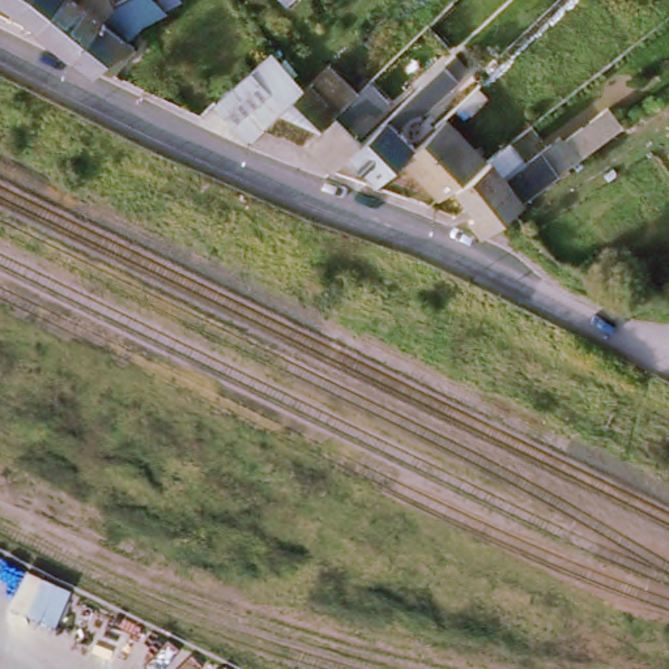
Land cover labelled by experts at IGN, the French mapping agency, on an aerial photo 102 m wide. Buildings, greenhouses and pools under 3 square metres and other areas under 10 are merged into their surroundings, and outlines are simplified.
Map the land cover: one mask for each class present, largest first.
<instances>
[{"label":"herbaceous vegetation","instance_id":"1","mask_svg":"<svg viewBox=\"0 0 669 669\"><path fill-rule=\"evenodd\" d=\"M149 44H159V52L172 55L175 60L180 76L175 102L188 107L191 112H199L220 102L269 55L264 52V39L256 34L251 10L235 5L233 0H180V5L170 8V13L144 26ZM397 0H337L342 26L332 29L327 44L311 29H306L303 21L293 24L282 42L298 57H306L316 73L332 68L345 78L350 71L358 68L368 81V76L376 68L366 52H358L353 44L363 39L366 21L371 18L374 8H389ZM502 0H457L442 21L413 31L389 57L379 63V68L382 73H389L392 68L405 71L408 81H416L418 73L434 57L444 55L447 47L463 42L465 34ZM463 55L468 68L473 63L486 60V73L494 78V84L481 91L486 99L476 112L455 115L449 125L476 152H481L483 159L504 149L512 141V136L523 131L525 123L541 128L557 120L564 105L591 99L596 105L604 86L612 84L614 76L627 73L632 91L640 102L659 99V105L664 107L659 112L635 107V123L630 125L625 144L588 172V188L580 196H544V201L549 204V214H541L533 225H507V238L497 243L520 256L536 272L554 274L562 287L583 298L588 267L598 259L601 251L612 248L630 251L643 264L645 280L661 295L669 290V0H517L494 26H489L473 44L465 47ZM0 157L24 162L31 170L44 172L47 180L65 196L107 206L115 214L146 227L149 233L167 238L180 248L196 251L204 261H220L225 269L248 277L253 285L272 295L314 308L319 319L335 327L337 332L348 329L353 335H371L379 342L395 345L400 353H408L418 363L434 366L442 382H460L463 387H470L491 400L507 402L523 416H536L541 410V418L546 421L554 436L575 439L669 486V384L661 379H651L648 387H638L617 376L614 371H606L604 379H596L591 374L572 368L559 358V337L564 332L562 327L452 272L436 269L408 253L361 240L340 230L319 227L303 217L267 206L256 201L251 193L235 191L186 165L154 154L60 105H52L39 94L26 97L13 81L0 76ZM329 256L363 259L379 269L368 285L361 287L355 282L353 287H348L342 303L335 308L327 303V295L321 293L319 274V261H327ZM434 285L455 287L457 295L439 311L426 308V321L413 319L408 306L418 301L421 290H434ZM0 408L10 410L18 418L42 421L47 431L65 434L73 426H84L86 436L78 439V447L71 455L78 470H97L99 463L110 460L112 449L102 442L99 434L102 429H118V410H139L141 416L157 410L159 418L170 421L180 434V439L172 442L175 457L199 465V470L217 491L222 489L227 491V497L243 499L246 510L230 512V528L253 530V525H264L277 538L308 549L306 564H301L293 575L251 580L243 591L251 601L269 609L290 606L295 612L324 614V606L308 601V593L316 588L319 575L337 585H345V580L355 585L382 583L413 604L423 591H429L442 609L465 612L478 619L497 617L512 632L523 630L528 635L525 651H533L538 656L533 669H669V625H664L661 619H638L627 612H619L617 604L606 606V598L601 596H593L507 551L481 544L418 512L416 507L389 499L368 481L342 473L348 463L332 465L324 457L319 442H306L303 429L295 423H290V429L282 426L280 431L259 429L235 413L214 408L193 389L180 387L175 379H162L139 368L131 358L118 355L105 345L91 348L76 340L63 342L47 329L18 321L8 306L0 303ZM29 442L8 429H0V473H3V468L10 460H18L24 455V447ZM0 562L18 572L26 564H34V575L65 591L81 585L91 596H99L115 604L118 609H128V614L144 622L162 625L172 635H180L183 640H191L201 648L220 653L225 664L214 669H293L287 666V659L274 656L280 645L217 627H180V622L175 619L157 617L154 606H149L144 598H136L110 583L86 578L44 557L39 549L24 546L18 538H10L0 528Z\"/></svg>","mask_w":669,"mask_h":669},{"label":"pervious surface","instance_id":"2","mask_svg":"<svg viewBox=\"0 0 669 669\"><path fill-rule=\"evenodd\" d=\"M0 303L8 306L18 321L47 329L63 342L76 340L91 348L105 345L118 355L131 358L139 368L162 379H175L180 387L193 389L214 408L235 413L259 429L280 431L282 426L290 429V423H295L303 429L306 442H319L324 457L332 465L348 463L342 473L368 481L389 499L416 507L418 512L481 544L507 551L593 596H601L606 598V606L617 604L619 612H627L638 619H661L664 625H669V486L575 439L554 436L546 421L541 418V410L536 416H523L507 402L491 400L470 387H463L460 382H442L434 366L418 363L408 353H400L395 345L379 342L371 335H353L348 329L337 332L335 327L319 319L314 308L272 295L253 285L248 277L225 269L220 261H204L196 251L180 248L167 238L149 233L146 227L115 214L107 206L65 196L47 180L44 172L31 170L24 162L0 157ZM0 528L10 538H18L24 546L39 549L44 557L86 578L110 583L136 598H144L149 606H154L157 617L175 619L180 622V627H217L280 645L274 656L287 659V666L293 669H520L510 664H497L486 653L460 656L455 651L431 648L418 635L408 632L402 625L395 622L384 627H368L366 619L337 622L324 614L295 612L290 606L269 609L251 601L243 591L227 585L188 583L178 575L175 564L167 562L162 554H152L131 541L110 544L105 538L107 530L99 507L78 502L65 491H57L47 481H39V489H16L8 478H3V473H0Z\"/></svg>","mask_w":669,"mask_h":669},{"label":"building","instance_id":"3","mask_svg":"<svg viewBox=\"0 0 669 669\"><path fill-rule=\"evenodd\" d=\"M180 5V0H0V29L24 39L39 52H52L65 65L78 71L86 81L112 84L115 76L128 81L131 71L136 68V60L149 50V44L144 26L170 13V8ZM465 47L463 42L447 47L444 55L434 57L418 73L416 81H408L405 71L392 68L389 73H382L379 68H376L368 76V81L358 68L350 71L345 78L332 68L316 73L306 57H298L282 42L280 50L269 55L220 102L199 112L193 125H201L233 144H240L251 152H259L264 157L301 167L314 175H335L358 191H371L389 204L426 214L447 225V230L468 235L470 240L481 238L497 243L507 238V225H533L541 214H549V204L544 201V196H580L588 188V172L625 144L630 125L619 123L612 110L593 112L588 125L578 128L575 133L564 128L551 141L541 128L525 123L523 131L512 136V141L504 149L483 159L481 152H476L449 125L455 115L476 112L486 99L481 91L494 84V78L486 73V60L473 63L468 68L463 55ZM8 630L18 640L37 645L55 630L68 601L65 591L34 575H24L16 593L5 598Z\"/></svg>","mask_w":669,"mask_h":669},{"label":"impervious surface","instance_id":"4","mask_svg":"<svg viewBox=\"0 0 669 669\"><path fill-rule=\"evenodd\" d=\"M517 0H502L465 34L463 42L465 47L473 44L489 26H494ZM0 76L13 81L26 97L39 94L52 105H60L154 154L186 165L235 191L251 193L256 201L267 206L303 217L319 227L340 230L361 240L408 253L436 269L452 272L562 327L564 332L575 335L580 342L596 348L604 355H614L635 366L640 374H648L651 379H661L669 384V324L625 319L609 316L606 311L583 298L562 287L554 274L536 272L520 256L497 243L481 238L470 240L468 235L447 230V225L426 214L389 204L371 191H358L335 175H314L301 167L264 157L259 152H251L240 144H233L201 125H193L199 112H191L188 107L175 102L152 97L149 91L136 94V84L128 81L115 76L112 84L86 81L78 71L65 65L52 52H39L24 39L0 29ZM632 91L627 73L614 76L612 84L604 86L596 105L591 99L564 105L557 120L541 128L551 141L564 128L575 133L578 128L588 125L593 112L612 110L614 102L630 97ZM34 564H26L18 572L0 562V669H214L225 664L220 653L201 648L191 640H183L180 635H172L162 625L144 622L128 614V609H118L115 604L99 596H91L81 585L65 591L68 601L55 630L37 645L18 640L8 630L5 598L16 593L24 575H34Z\"/></svg>","mask_w":669,"mask_h":669},{"label":"brushwood","instance_id":"5","mask_svg":"<svg viewBox=\"0 0 669 669\"><path fill-rule=\"evenodd\" d=\"M235 5L251 10L256 34L264 39V52L269 55L280 50L282 42L293 24L303 21L306 29H311L327 44L332 29L342 26L337 0H233ZM128 81L136 84V94L149 91L152 97L175 102L180 76L175 60L172 55L159 52V44H149V50L136 60V68L131 71ZM379 269L363 259L329 256L327 261H319V274L321 293L327 295V303L335 308L342 303L348 287H353L355 282L361 287L368 285ZM625 319L669 324V290L661 295L643 306L630 303V314ZM559 358L572 368L591 374L596 379H604L606 371H614L617 376L638 387H648L651 379L648 374H640L635 366L614 355H604L596 348L580 342L575 335L564 332L559 337ZM0 429H8L29 442L24 447V455L18 460H10L3 468V478H8L16 489H39V481H47L57 491H65L78 502L99 507L107 530L105 538L110 544L131 541L152 554H162L167 562L175 564L178 575L188 583L227 585L243 591L251 580L293 575L301 564H306L308 549L277 538L264 525H253V530L230 528V512L246 510L243 499L227 497V491L222 489L217 491L199 470V465L175 457L172 442L180 439V434L170 421L159 418L157 410L141 416L139 410H118V429H102L99 434L102 442L112 449L110 460L99 463L97 470H78L71 455L78 447V439L86 436L84 426H73L65 434L47 431L42 421L18 418L10 410L0 408ZM308 601L324 606V614L337 622L366 619L368 627H384L395 622L402 625L408 632L418 635L431 648L455 651L460 656L486 653L497 664H510L520 669H533L538 656L533 651H525L528 635L523 630L512 632L497 617L478 619L465 612L442 609L429 591H423L413 604L382 583L355 585L345 580V585H337L319 575L316 588L308 593Z\"/></svg>","mask_w":669,"mask_h":669},{"label":"deciduous trees","instance_id":"6","mask_svg":"<svg viewBox=\"0 0 669 669\"><path fill-rule=\"evenodd\" d=\"M635 107L659 112L664 107L659 105V99L640 102L632 91L630 97L614 102L612 110L619 123L630 125L635 123ZM583 298L606 311L609 316L625 319L630 314V303L643 306L661 295L645 280L643 264L630 251L612 248L601 251L598 259L588 267ZM457 295L455 287L434 285V290H421L418 301L408 306L413 319L426 321V308L439 311Z\"/></svg>","mask_w":669,"mask_h":669},{"label":"agricultural land","instance_id":"7","mask_svg":"<svg viewBox=\"0 0 669 669\"><path fill-rule=\"evenodd\" d=\"M457 0H397L389 8H374L371 18L366 21L363 39L353 44L358 52H366L376 68H379V63L389 57L413 31L442 21Z\"/></svg>","mask_w":669,"mask_h":669}]
</instances>
